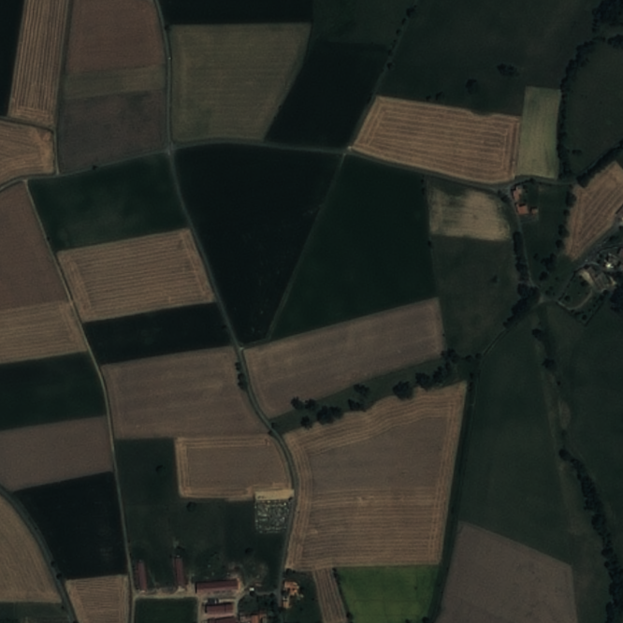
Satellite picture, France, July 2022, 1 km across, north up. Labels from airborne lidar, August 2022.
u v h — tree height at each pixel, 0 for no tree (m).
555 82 0
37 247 0
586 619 0
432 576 0
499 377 0
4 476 0
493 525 0
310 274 0
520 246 15
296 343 0
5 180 0
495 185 0
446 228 0
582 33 0
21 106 0
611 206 0
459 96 0
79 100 0
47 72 0
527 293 20
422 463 0
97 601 0
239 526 0
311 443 0
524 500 0
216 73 0
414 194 0
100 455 0
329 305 0
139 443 0
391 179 0
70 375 0
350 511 0
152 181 0
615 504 0
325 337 0
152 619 0
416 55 0
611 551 17
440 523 0
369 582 0
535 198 0
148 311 0
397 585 0
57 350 0
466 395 0
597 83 0
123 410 0
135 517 0
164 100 0
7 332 0
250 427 0
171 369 0
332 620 0
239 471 0
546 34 0
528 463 0
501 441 0
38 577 0
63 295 0
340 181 0
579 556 0
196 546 0
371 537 0
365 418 0
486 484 0
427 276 0
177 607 0
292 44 0
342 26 0
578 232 0
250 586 0
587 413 0
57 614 0
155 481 0
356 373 0
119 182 0
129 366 0
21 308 0
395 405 0
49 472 0
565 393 0
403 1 0
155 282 0
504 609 0
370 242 0
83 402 0
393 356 0
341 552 0
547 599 0
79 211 0
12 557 0
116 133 0
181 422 0
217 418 0
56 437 0
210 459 0
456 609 0
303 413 0
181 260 0
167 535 0
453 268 0
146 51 0
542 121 0
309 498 0
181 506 0
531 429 0
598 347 0
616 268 6
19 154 0
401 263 0
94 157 0
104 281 0
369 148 0
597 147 0
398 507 0
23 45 0
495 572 0
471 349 0
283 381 0
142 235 0
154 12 0
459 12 0
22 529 0
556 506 0
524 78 0
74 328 0
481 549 0
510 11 0
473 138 0
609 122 0
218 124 0
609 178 0
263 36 0
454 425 0
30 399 0
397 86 0
